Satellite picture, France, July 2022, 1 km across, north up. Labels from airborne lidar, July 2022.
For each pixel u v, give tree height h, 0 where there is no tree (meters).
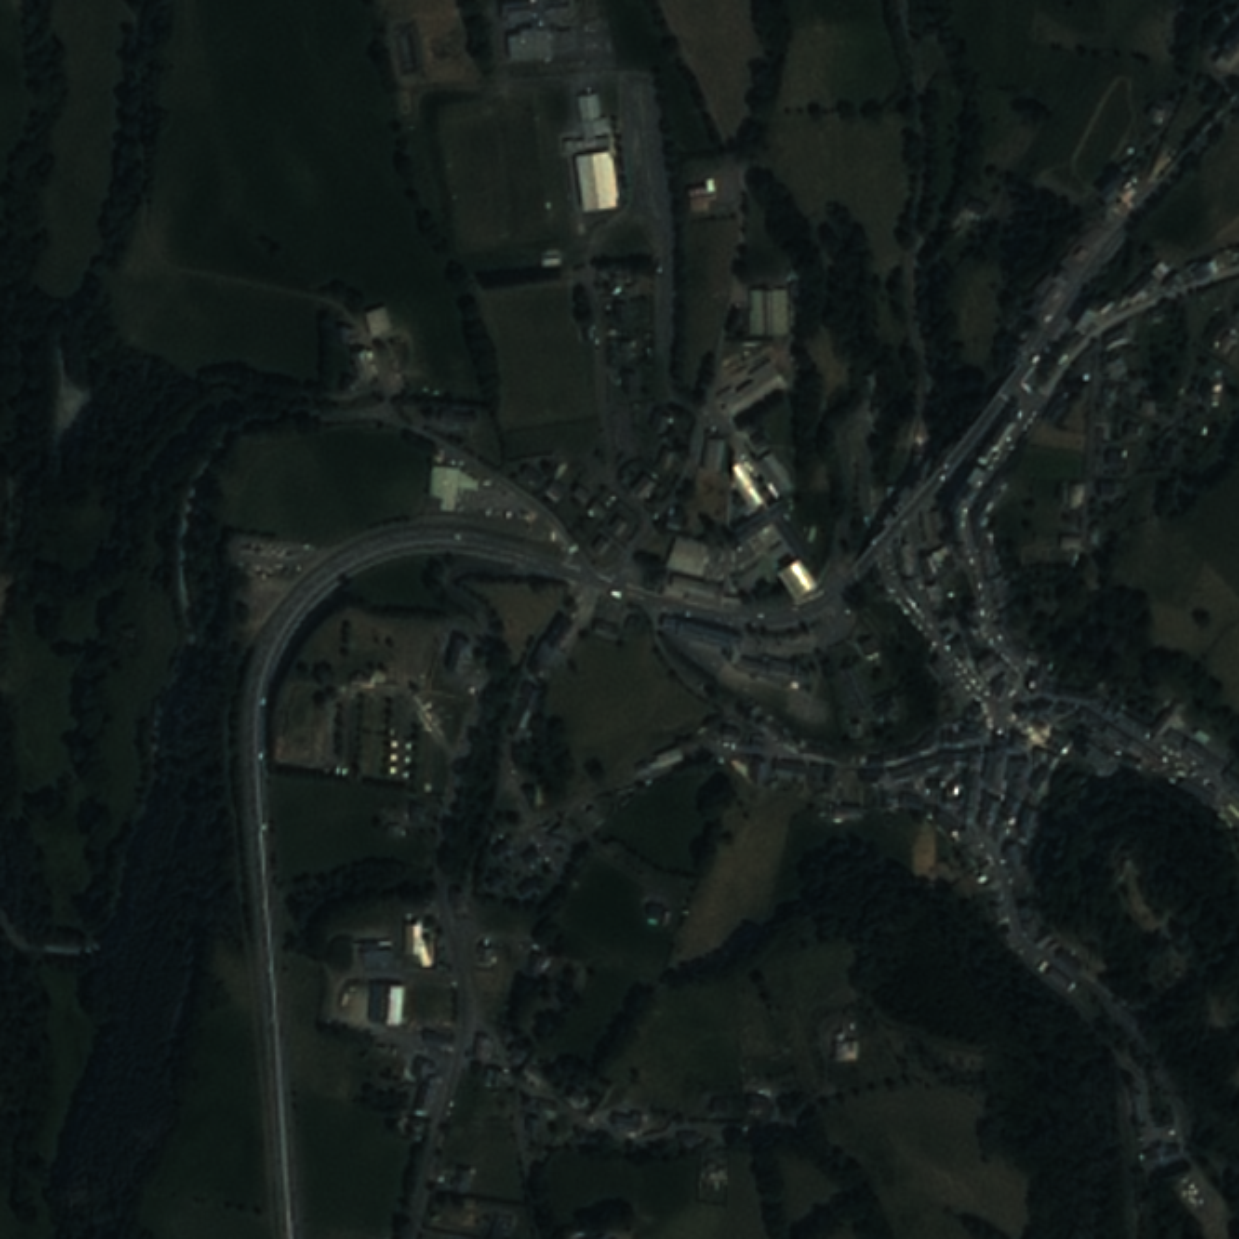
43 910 28
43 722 0
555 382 0
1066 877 26
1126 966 8
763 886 0
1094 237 0
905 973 6
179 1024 6
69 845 0
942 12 16
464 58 0
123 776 0
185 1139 0
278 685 12
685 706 0
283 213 0
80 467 22
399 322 0
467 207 0
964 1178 0
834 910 22
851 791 0
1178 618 0
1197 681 22
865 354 19
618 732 0
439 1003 0
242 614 15
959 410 21
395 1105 8
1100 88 0
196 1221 0
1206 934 23
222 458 13
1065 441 0
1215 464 0
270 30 0
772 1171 23
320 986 0
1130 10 0
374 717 0
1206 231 0
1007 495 0
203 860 20
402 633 0
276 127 0
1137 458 0
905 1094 0
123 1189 13
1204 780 0
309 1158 0
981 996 10
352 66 0
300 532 0
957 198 11
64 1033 0
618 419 0
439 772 0
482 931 0
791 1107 15
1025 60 0
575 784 0
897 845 0
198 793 16
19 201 19
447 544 0
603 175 0
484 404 8
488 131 0
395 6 0
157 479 16
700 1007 0
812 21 0
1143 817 15
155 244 0
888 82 0
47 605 15
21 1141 22
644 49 0
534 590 12
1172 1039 11
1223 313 0
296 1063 0
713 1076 0
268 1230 0
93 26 0
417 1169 11
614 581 0
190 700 15
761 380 0
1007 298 13
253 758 0
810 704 0
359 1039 13
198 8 0
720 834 6
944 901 15
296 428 10
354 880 9
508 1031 6
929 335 18
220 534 8
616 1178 0
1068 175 0
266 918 0
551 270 9
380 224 0
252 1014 0
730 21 0
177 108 0
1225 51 0
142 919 25
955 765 0
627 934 0
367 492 0
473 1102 0
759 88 16
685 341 9
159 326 0
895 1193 0
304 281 0
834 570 0
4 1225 0
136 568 7
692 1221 0
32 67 16
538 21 0
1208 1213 0
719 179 0
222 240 0
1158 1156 0
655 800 0
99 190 0
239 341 0
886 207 0
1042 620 11
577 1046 0
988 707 0
